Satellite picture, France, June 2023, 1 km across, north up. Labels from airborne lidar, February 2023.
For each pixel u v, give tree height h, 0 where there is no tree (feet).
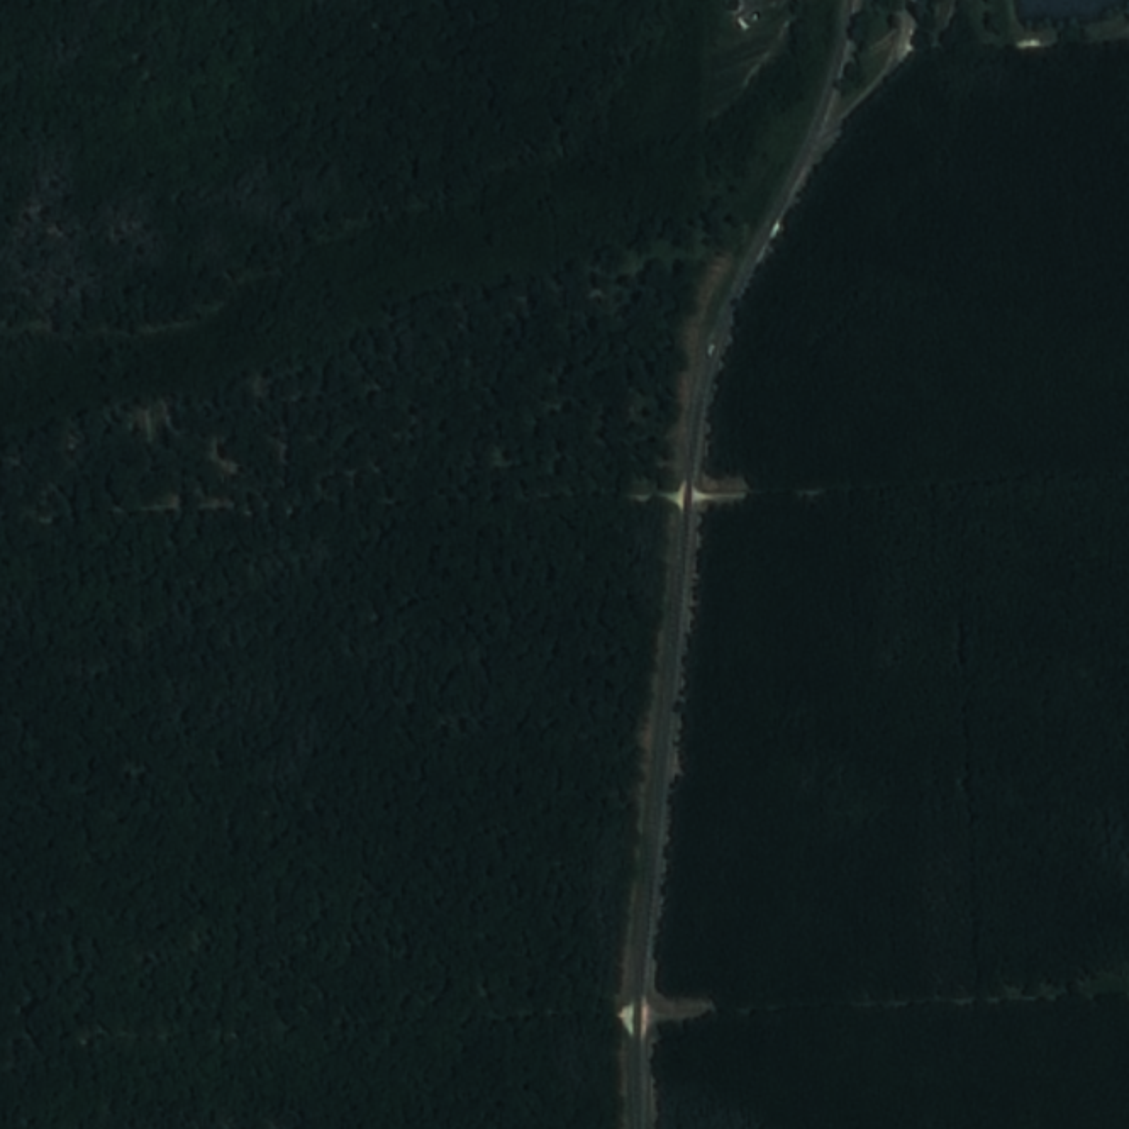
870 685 53
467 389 78
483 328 81
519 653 103
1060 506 82
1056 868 88
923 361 63
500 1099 81
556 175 26
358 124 83
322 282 30
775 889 41
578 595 91
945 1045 48
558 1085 75
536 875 81
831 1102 39
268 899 63
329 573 77
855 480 46
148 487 85
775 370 45
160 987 82
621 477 82
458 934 88
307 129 85
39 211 88
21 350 62
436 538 97
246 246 79
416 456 78
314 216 87
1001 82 48
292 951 71
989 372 56
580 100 90
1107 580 91
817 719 26
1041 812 79
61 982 94
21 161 84
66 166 89
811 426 49
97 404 18
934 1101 47
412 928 82
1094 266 49
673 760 61
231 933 73
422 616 94
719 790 34
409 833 96
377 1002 78
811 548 44
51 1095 77
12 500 89
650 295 86
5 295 72
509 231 29
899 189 31
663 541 80
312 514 75
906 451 59
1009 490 80
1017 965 78
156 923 88
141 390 29
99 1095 68
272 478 67
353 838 88
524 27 110
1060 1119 40
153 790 81
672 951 45
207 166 73
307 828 87
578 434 81
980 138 44
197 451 91
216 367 31
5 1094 85
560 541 95
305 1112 72
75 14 93
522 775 88
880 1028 35
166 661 70
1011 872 71
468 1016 73
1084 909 91
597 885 75
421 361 83
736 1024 44
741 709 37
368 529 82
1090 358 61
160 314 95
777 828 41
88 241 88
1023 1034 55
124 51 67
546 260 25
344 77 96
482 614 110
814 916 40
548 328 87
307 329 28
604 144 34
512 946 85
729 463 25
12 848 107
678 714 46
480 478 84
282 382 66
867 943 42
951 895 50
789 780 31
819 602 39
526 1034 73
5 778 100
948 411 56
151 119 75
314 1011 65
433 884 82
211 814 66
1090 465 57
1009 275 66
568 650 106
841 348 54
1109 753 71
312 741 81
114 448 91
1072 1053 52
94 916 99
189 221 88
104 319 97
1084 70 48
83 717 77
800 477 43
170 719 87
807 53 31
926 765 56
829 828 43
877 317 38
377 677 85
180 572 93
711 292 28
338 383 68
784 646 38
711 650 39
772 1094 36
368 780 93
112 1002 84
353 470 89
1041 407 56
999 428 55
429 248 28
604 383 85
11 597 62
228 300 96
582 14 105
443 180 84
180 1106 68
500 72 111
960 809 52
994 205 59
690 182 36
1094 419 55
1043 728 78
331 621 79
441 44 100
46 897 97
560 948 61
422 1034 74
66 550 46
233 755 85
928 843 51
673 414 85
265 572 81
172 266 99
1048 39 0
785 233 49
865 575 45
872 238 35
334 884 87
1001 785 85
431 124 100
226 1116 57
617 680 103
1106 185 53
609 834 77
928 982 43
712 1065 39
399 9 89
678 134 25
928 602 59
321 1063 67
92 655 65
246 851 82
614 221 36
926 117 37
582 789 87
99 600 85
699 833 42
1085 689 73
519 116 104
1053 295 52
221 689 55
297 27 75
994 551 80
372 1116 77
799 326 40
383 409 65
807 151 0
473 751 98
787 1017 41
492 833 87
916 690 54
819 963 40
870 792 35
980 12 0
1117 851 86
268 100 74
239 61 74
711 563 19
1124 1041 52
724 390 43
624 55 78
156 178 74
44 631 78
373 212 79
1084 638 74
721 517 46
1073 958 79
